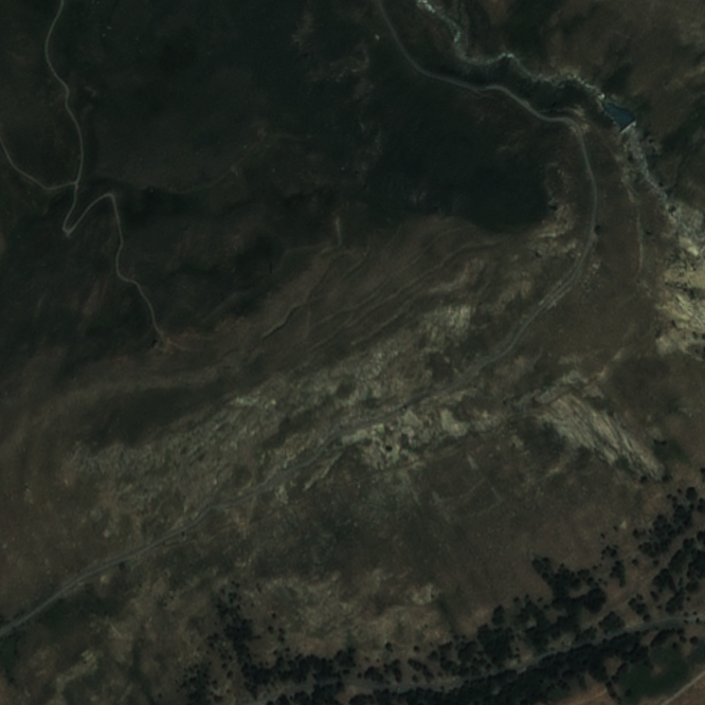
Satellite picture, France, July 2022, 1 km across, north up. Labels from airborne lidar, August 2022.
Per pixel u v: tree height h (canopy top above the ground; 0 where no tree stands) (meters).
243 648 9
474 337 0
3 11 0
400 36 0
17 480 0
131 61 0
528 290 0
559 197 0
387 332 0
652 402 0
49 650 0
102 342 0
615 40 0
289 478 0
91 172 0
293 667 13
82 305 0
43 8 0
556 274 0
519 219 0
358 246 0
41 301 0
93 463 0
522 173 0
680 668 0
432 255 0
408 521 0
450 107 0
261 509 0
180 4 0
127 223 0
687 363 0
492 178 0
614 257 0
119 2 0
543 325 0
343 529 0
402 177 0
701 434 0
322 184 0
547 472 0
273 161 0
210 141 0
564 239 0
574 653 12
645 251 0
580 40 0
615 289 0
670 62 0
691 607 0
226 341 0
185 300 0
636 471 0
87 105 0
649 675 0
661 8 0
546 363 0
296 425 0
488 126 0
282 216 0
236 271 0
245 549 0
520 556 0
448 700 9
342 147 0
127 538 0
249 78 0
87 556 0
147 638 0
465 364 0
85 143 0
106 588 0
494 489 0
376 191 0
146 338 0
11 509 0
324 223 0
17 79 0
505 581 0
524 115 0
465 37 0
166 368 0
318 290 0
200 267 0
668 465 0
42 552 0
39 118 0
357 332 0
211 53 0
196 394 0
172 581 0
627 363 0
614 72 0
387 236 0
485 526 0
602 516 0
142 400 0
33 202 0
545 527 0
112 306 0
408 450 0
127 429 0
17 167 0
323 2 0
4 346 0
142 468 0
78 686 0
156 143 0
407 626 0
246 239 0
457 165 0
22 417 0
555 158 0
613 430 0
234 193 0
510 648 8
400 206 0
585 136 0
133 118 0
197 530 0
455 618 0
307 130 0
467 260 0
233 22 0
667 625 0
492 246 0
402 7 0
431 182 0
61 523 0
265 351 0
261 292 0
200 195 0
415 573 0
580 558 0
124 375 0
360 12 0
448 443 0
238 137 0
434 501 0
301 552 0
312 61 0
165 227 0
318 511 0
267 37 0
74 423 0
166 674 0
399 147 0
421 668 12
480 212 0
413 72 0
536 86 0
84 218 0
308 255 0
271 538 0
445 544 0
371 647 0
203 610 0
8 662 0
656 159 0
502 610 11
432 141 0
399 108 0
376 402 0
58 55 0
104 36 0
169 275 0
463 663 10
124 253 0
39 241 0
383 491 0
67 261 0
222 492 0
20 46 0
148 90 0
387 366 0
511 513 0
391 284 0
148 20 0
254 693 7
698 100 0
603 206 0
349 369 0
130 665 0
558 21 0
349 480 0
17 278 0
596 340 0
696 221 0
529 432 0
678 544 0
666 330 0
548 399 0
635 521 0
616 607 0
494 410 0
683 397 0
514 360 0
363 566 0
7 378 0
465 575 0
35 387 0
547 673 11
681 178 0
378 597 0
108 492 0
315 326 0
